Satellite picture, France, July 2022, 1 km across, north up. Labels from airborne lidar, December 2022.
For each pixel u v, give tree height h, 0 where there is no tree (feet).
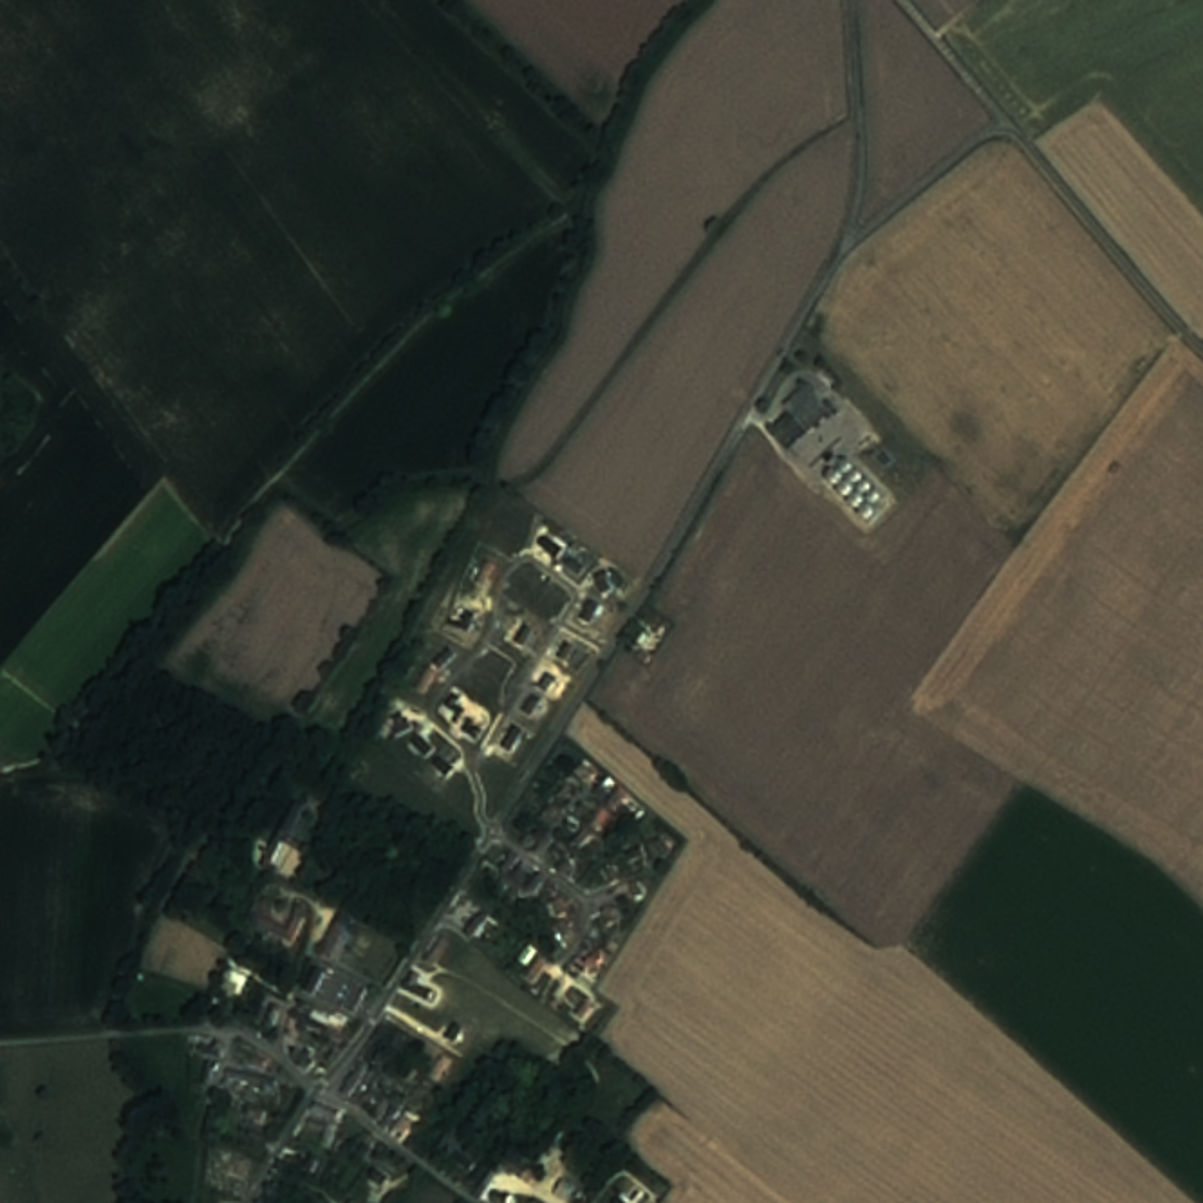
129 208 0
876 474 0
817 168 0
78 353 0
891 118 0
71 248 0
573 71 0
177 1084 0
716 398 0
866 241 0
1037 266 0
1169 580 0
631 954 0
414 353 0
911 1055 0
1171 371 0
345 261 0
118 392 0
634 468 0
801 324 0
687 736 0
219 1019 42
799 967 0
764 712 0
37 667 0
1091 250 0
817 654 0
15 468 0
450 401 0
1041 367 0
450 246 0
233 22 0
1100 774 0
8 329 0
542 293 0
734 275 0
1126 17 0
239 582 0
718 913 0
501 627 0
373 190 0
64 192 0
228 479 0
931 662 0
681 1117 0
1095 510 0
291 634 0
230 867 24
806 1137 0
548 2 0
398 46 0
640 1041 0
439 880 68
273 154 0
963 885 0
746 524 0
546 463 0
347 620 0
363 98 0
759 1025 0
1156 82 0
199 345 0
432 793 0
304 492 0
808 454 0
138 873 0
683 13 30
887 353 0
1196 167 0
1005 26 0
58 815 0
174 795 66
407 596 0
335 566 0
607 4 0
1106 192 0
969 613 0
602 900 0
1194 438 0
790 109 0
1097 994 0
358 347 0
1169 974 0
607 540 0
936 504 0
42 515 0
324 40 0
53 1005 0
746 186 0
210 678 0
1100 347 0
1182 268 0
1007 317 0
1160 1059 0
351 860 73
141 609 0
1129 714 0
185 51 0
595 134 63
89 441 0
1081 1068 0
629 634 30
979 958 0
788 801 0
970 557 0
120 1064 46
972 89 0
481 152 0
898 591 0
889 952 0
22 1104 0
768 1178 0
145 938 26
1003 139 0
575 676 0
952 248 0
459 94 0
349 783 35
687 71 0
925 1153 0
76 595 0
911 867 0
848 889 0
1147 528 0
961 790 0
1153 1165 0
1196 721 0
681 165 0
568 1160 37
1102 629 0
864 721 0
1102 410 0
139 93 0
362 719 50
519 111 0
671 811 0
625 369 0
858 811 0
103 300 0
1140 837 0
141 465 0
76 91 0
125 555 0
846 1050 0
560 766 29
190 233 0
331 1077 0
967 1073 0
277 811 79
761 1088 0
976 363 0
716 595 0
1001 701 0
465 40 0
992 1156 0
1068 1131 0
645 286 0
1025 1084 0
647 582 0
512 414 59
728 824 18
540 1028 0
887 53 0
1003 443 0
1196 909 0
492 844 0
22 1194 0
